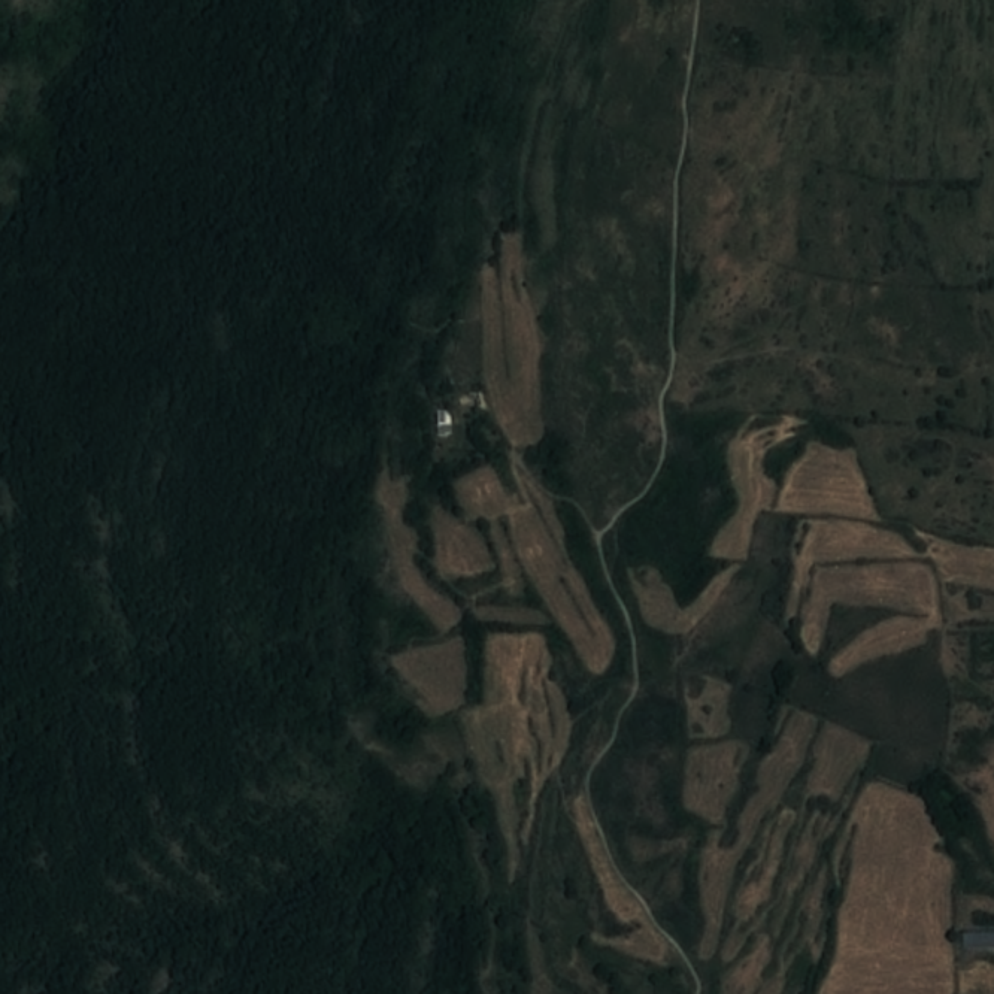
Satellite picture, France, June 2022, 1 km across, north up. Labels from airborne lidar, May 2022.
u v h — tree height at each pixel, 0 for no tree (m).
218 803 8
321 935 12
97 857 7
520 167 0
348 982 7
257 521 10
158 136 11
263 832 10
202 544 10
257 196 13
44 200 11
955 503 0
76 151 18
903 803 0
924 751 0
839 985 0
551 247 0
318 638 9
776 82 0
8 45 8
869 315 0
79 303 10
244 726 7
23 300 9
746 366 0
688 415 0
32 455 9
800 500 0
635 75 0
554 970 0
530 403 0
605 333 0
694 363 0
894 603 0
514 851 0
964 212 0
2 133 8
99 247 11
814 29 0
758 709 0
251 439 8
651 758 0
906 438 0
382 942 12
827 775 0
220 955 10
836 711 0
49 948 10
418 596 0
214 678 10
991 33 0
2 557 6
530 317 0
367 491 8
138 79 9
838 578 0
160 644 6
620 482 0
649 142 0
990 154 10
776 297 0
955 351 0
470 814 11
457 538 0
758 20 0
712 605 0
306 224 10
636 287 0
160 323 10
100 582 7
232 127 11
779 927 0
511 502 0
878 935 0
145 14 12
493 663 0
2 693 9
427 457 8
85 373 10
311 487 9
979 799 0
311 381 7
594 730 0
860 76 0
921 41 0
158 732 11
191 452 5
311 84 9
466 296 0
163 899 10
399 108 12
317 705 8
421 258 8
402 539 0
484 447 11
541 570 0
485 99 9
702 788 0
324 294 7
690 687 0
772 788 0
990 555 0
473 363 0
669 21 0
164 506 6
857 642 0
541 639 0
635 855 0
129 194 9
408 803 6
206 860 10
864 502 0
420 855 8
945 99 0
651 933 0
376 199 7
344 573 7
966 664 0
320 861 11
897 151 0
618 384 0
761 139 0
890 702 0
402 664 0
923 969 0
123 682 9
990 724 0
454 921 7
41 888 11
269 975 11
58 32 6
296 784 7
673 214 0
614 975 7
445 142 7
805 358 0
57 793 9
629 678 0
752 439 0
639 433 0
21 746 15
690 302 0
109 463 8
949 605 0
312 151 6
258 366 10
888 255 8
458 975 6
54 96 18
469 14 8
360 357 9
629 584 0
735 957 0
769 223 0
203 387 8
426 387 6
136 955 7
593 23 0
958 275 0
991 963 0
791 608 0
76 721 10
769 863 0
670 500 0
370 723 0
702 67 0
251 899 11
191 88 12
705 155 0
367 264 7
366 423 8
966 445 0
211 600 9
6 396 10
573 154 0
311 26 9
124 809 10
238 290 10
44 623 10
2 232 20
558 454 12
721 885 0
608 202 0
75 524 8
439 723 0
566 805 0
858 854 0
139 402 8
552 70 0
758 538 0
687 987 0
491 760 0
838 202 0
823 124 0
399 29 7
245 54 13
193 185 11
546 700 0
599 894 0
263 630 6
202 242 7
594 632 0
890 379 0
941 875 0
